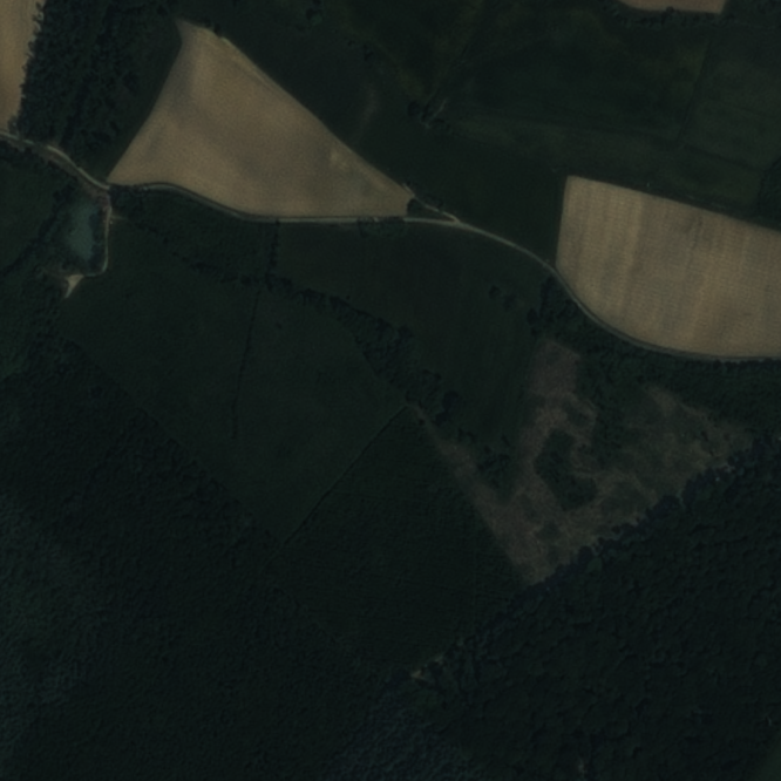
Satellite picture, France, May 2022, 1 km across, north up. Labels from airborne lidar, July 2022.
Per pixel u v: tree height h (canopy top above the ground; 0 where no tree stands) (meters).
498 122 0
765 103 0
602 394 30
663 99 0
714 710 30
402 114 0
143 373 6
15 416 27
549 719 32
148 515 21
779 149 0
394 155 0
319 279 0
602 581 31
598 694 24
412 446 7
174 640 16
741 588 26
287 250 0
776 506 29
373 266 0
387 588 7
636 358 20
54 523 19
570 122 0
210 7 0
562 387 0
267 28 0
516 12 0
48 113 35
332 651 23
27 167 20
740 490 29
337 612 6
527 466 0
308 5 0
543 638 28
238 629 23
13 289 20
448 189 0
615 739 26
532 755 34
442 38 0
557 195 0
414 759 28
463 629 6
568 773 33
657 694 29
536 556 0
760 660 33
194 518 23
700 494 28
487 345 0
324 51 0
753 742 29
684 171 0
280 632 27
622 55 0
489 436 0
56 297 16
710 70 0
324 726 22
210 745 21
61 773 24
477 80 0
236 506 23
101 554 20
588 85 0
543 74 0
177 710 23
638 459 0
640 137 0
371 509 8
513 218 0
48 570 20
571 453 0
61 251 28
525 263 0
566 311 20
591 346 5
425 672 10
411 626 6
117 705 22
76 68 6
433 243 0
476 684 25
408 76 0
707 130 0
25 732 16
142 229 21
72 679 14
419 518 7
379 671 8
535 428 0
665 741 30
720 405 10
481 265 0
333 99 0
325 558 9
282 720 23
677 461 0
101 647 21
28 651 12
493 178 0
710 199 0
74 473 27
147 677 23
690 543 27
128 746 23
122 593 16
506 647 31
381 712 28
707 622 28
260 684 22
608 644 28
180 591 25
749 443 0
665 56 0
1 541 18
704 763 31
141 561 24
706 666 28
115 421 25
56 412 27
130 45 19
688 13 0
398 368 26
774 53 0
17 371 20
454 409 26
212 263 6
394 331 20
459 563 6
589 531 0
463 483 0
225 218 6
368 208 0
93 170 0
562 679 32
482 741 29
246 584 22
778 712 29
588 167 0
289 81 0
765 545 26
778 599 28
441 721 29
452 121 0
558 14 0
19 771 26
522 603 26
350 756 32
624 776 35
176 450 23
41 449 27
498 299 13
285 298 21
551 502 0
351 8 0
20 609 19
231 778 23
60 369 19
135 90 28
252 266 6
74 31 34
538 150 0
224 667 23
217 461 7
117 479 23
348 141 0
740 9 0
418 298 0
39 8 0
